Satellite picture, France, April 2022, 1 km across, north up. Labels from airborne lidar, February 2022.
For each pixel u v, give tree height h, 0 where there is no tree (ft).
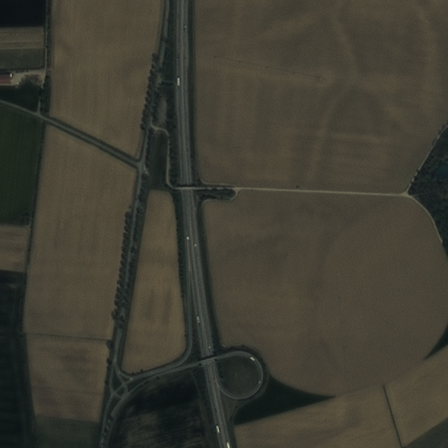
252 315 0
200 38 0
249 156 0
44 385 0
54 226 0
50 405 0
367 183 0
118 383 0
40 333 0
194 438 0
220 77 0
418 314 0
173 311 0
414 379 0
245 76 0
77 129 0
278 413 0
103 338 0
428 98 0
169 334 0
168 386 0
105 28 0
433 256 0
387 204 0
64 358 0
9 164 0
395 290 0
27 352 0
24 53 0
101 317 0
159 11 0
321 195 0
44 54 0
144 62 0
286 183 0
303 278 0
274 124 0
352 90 0
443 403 0
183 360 0
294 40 0
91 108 0
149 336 0
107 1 0
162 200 0
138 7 0
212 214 0
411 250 0
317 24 0
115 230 0
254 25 0
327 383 0
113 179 0
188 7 0
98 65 0
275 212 0
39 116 0
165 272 0
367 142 0
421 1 0
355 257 0
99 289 0
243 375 0
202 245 0
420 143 0
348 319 0
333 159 0
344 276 0
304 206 0
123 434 0
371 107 0
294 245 0
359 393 0
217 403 0
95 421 0
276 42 0
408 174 0
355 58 0
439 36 0
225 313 0
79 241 0
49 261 0
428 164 36
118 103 0
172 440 0
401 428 0
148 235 0
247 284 0
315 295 0
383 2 0
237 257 0
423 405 0
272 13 0
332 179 0
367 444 0
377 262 0
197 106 0
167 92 21
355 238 0
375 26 0
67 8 0
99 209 0
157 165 0
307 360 0
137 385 0
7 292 0
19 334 0
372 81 0
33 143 0
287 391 0
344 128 0
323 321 0
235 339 0
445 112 0
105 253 0
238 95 0
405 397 0
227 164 0
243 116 0
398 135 0
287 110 0
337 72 0
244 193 0
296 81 0
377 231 0
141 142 0
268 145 0
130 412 0
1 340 0
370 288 0
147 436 0
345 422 0
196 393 0
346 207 0
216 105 0
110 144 0
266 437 0
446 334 0
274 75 0
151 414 0
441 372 0
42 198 0
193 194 0
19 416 0
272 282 0
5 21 0
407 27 0
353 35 0
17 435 0
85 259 0
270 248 0
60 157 0
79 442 0
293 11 0
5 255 0
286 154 0
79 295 0
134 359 0
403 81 0
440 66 0
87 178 0
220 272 0
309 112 0
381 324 0
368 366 0
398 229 0
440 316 0
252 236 0
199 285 0
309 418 0
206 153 0
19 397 0
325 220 0
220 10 0
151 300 0
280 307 0
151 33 0
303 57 0
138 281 0
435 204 56
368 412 0
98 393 0
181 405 0
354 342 0
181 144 0
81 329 0
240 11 0
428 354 0
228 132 0
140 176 0
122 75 0
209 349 0
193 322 0
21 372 0
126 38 0
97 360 0
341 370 0
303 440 0
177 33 0
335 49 0
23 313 0
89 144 0
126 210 0
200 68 0
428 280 0
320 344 0
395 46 0
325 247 0
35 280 0
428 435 0
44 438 0
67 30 0
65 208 0
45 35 0
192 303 0
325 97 0
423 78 0
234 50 0
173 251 0
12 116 0
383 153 0
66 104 0
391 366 0
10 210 0
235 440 0
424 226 0
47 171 0
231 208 0
